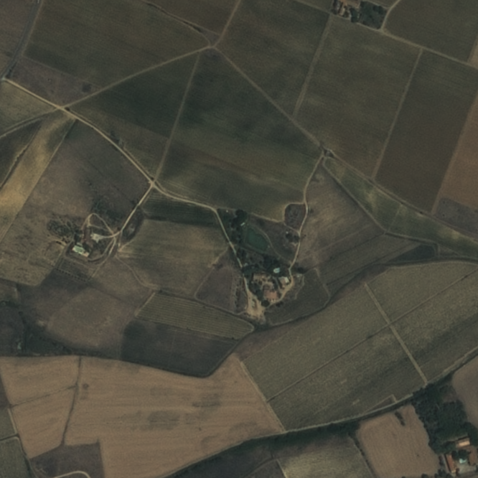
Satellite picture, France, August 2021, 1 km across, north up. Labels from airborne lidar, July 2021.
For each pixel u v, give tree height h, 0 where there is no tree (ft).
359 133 0
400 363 0
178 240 0
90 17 0
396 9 0
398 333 0
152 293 0
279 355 0
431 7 0
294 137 0
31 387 0
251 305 0
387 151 0
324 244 0
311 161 0
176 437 0
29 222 0
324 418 0
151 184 0
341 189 0
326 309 0
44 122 0
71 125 0
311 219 0
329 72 0
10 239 0
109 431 0
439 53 0
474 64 0
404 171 0
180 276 0
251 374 0
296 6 0
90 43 0
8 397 0
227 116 0
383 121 0
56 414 0
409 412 0
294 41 0
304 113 0
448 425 68
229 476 0
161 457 0
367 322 0
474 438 62
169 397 0
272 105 0
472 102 0
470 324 0
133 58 0
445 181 0
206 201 0
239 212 43
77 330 0
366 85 0
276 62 0
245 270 47
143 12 0
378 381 0
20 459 0
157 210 0
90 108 0
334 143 0
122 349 0
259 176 0
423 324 0
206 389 0
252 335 0
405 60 0
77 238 32
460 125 0
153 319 0
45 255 0
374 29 0
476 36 0
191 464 0
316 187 0
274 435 0
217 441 0
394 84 0
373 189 0
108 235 0
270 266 26
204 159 0
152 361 0
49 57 0
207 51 0
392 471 0
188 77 0
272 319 0
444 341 0
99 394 0
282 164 0
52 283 0
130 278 0
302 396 0
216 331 0
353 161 0
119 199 0
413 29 0
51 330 0
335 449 0
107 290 0
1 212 0
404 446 0
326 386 0
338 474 0
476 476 0
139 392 0
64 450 0
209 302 0
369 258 0
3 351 0
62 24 0
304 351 0
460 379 0
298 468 0
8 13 0
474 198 0
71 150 0
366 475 0
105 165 0
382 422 0
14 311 0
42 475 0
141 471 0
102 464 0
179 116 0
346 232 0
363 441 0
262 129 0
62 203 0
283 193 0
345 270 0
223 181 0
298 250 0
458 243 0
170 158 0
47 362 0
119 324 0
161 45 0
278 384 0
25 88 0
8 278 0
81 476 0
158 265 0
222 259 0
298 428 0
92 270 0
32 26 0
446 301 0
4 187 0
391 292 0
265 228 0
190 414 0
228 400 0
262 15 0
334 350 0
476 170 0
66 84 0
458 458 57
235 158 0
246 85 0
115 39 0
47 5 0
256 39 0
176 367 0
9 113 0
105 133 0
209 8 0
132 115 0
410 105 0
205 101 0
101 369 0
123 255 0
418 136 0
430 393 59
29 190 0
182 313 0
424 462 0
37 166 0
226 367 0
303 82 0
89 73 0
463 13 0
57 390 0
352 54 0
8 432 0
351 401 0
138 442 0
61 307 0
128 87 0
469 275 0
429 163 0
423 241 0
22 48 0
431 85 0
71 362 0
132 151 0
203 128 0
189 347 0
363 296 0
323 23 0
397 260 0
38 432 0
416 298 0
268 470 0
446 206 0
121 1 0
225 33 0
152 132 0
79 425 0
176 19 0
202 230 0
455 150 0
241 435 0
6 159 0
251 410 0
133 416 0
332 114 0
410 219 0
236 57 0
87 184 0
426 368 0
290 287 0
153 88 0
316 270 0
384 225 0
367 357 0
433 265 0
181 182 0
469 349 0
